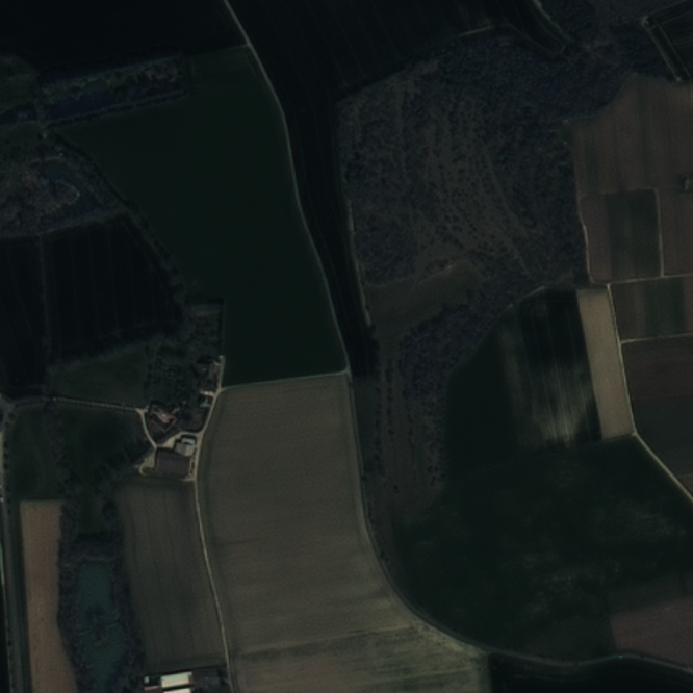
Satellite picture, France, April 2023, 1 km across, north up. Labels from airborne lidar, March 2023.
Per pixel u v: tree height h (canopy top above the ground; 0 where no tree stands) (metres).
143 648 9
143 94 16
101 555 21
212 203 0
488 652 0
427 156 7
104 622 18
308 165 0
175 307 0
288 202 0
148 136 0
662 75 9
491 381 0
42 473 0
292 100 0
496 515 0
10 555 0
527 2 0
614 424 0
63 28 0
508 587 0
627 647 0
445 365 6
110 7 0
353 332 0
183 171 0
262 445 0
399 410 0
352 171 11
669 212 0
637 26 6
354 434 0
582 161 0
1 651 0
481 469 0
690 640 0
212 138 0
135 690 12
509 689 0
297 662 0
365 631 0
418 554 0
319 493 0
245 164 0
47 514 0
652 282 0
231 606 0
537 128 12
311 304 0
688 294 0
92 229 0
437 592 0
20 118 17
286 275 0
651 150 0
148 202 0
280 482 0
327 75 0
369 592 0
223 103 0
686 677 0
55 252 0
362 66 0
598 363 0
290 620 0
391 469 0
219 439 0
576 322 0
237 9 0
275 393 0
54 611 0
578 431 0
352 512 0
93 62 0
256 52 0
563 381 0
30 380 0
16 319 0
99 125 0
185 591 0
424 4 0
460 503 0
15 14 0
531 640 0
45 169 0
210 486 0
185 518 0
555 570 0
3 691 0
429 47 0
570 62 9
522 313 0
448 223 6
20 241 0
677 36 0
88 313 0
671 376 0
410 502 0
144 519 0
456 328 14
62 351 0
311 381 0
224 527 0
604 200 0
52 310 0
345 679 0
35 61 0
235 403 0
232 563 0
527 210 7
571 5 12
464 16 0
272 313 0
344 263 0
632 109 0
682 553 0
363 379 0
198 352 8
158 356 6
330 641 0
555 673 0
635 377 0
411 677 0
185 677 0
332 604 0
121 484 0
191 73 0
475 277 0
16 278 0
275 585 0
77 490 23
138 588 0
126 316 0
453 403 0
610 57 14
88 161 15
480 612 0
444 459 6
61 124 17
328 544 0
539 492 0
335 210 0
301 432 0
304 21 0
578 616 0
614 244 0
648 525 0
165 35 0
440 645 0
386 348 0
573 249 8
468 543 0
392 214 12
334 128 0
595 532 0
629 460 0
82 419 0
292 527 0
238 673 0
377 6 0
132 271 0
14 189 0
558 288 0
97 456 0
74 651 12
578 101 16
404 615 0
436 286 0
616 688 0
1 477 0
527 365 0
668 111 0
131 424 0
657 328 0
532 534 0
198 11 0
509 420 0
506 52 10
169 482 0
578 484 0
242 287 0
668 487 0
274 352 0
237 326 0
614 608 0
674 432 0
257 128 0
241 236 0
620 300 0
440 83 10
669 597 0
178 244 0
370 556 0
